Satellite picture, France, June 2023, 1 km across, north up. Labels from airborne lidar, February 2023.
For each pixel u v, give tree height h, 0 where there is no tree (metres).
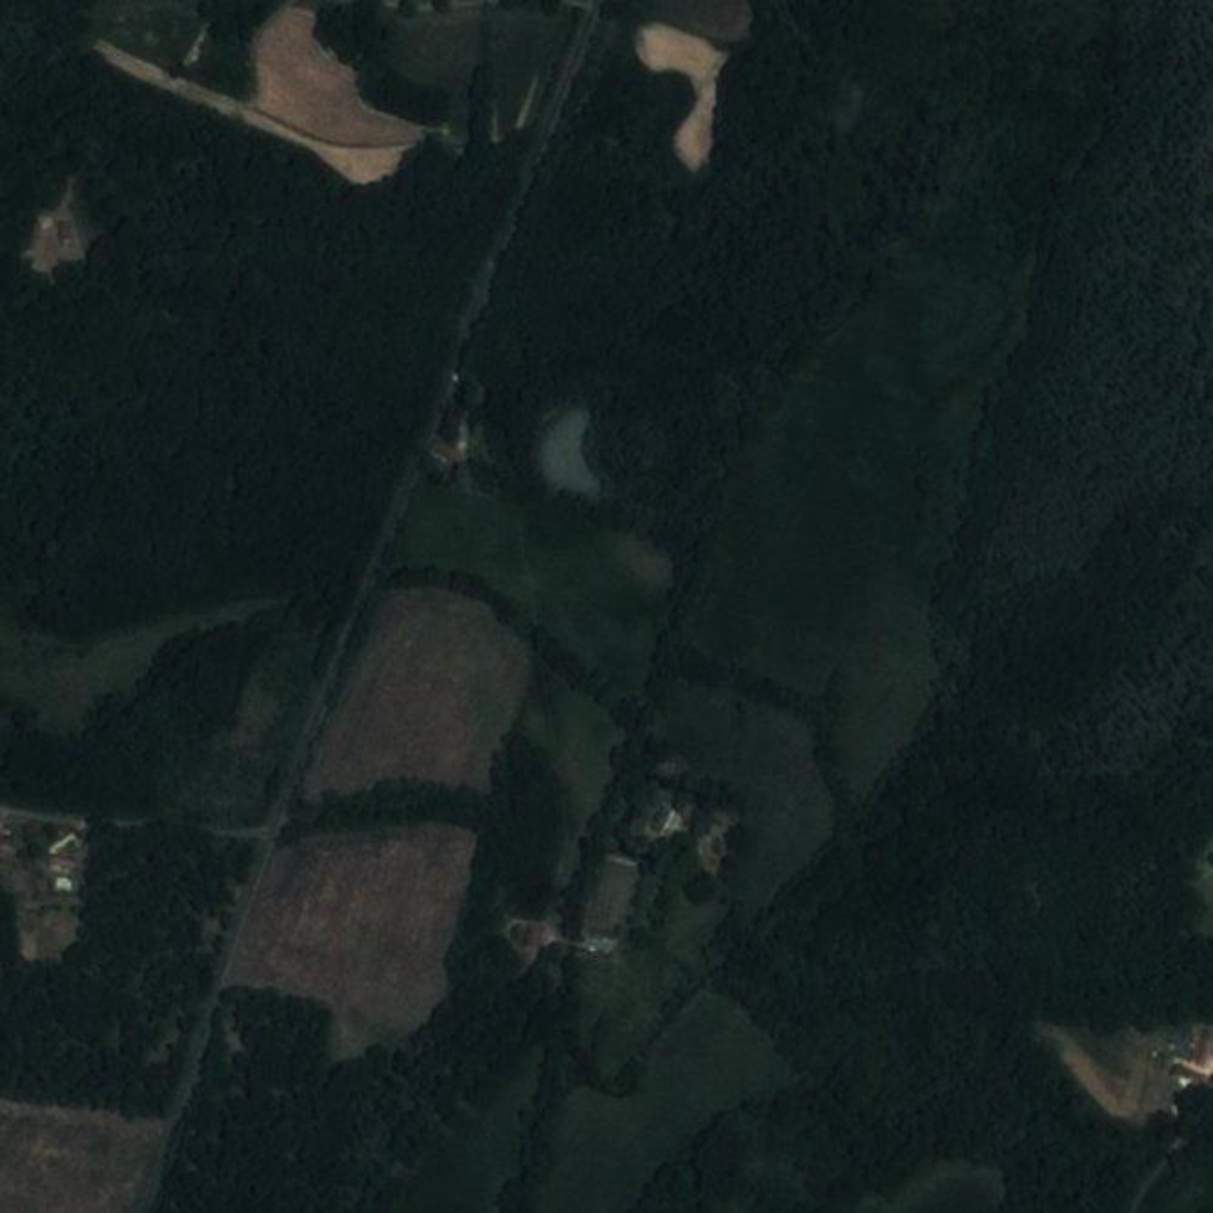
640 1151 0
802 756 0
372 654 0
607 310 17
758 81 20
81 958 23
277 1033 18
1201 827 25
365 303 17
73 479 25
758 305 35
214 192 22
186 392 23
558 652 19
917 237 31
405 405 13
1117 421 27
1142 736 27
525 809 18
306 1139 22
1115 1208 20
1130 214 21
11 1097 20
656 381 16
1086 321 24
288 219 19
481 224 21
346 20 17
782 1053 8
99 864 18
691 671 21
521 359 25
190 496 17
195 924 21
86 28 16
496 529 0
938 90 7
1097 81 6
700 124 0
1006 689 14
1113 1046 0
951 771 13
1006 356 0
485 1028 21
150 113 21
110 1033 20
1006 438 16
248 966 0
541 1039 19
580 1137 0
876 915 13
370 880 0
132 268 14
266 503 20
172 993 22
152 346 21
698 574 17
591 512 9
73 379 17
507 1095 0
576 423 0
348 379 22
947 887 8
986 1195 0
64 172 15
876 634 0
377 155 0
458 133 0
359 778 0
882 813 12
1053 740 18
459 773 0
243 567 17
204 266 20
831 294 20
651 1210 15
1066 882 13
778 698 11
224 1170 21
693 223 22
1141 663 20
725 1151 35
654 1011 0
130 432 23
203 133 15
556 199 14
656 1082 0
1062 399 23
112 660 0
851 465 0
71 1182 0
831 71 6
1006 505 20
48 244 0
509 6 11
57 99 22
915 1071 7
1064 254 20
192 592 17
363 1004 0
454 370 13
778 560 0
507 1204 15
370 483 18
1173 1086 0
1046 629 15
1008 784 16
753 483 0
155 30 0
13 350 17
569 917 19
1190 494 21
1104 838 15
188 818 7
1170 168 26
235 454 21
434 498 0
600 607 0
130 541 18
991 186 14
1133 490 26
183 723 24
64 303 11
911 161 14
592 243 13
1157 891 17
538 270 21
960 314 0
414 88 10
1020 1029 23
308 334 24
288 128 0
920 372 0
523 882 7
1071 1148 21
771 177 26
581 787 0
